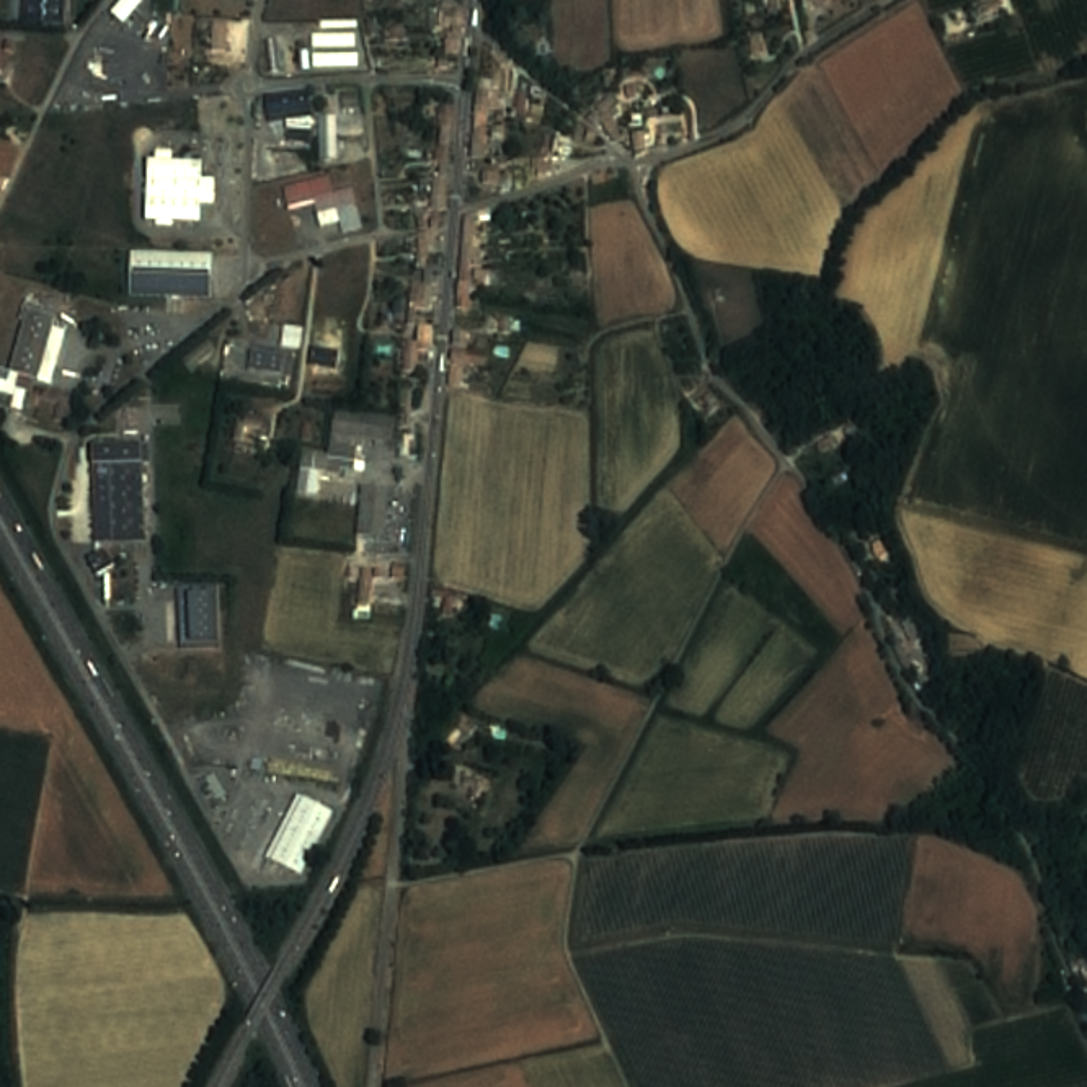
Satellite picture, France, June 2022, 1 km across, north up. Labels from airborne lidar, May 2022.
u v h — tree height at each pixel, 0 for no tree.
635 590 0
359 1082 0
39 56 0
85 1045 0
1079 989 13
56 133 0
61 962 0
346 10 0
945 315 0
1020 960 0
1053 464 0
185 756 0
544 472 0
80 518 0
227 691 0
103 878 0
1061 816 11
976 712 8
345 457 0
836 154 0
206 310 0
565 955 0
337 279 0
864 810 0
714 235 0
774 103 0
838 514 12
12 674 0
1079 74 19
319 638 0
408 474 0
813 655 0
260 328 0
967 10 9
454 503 0
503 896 0
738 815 0
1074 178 0
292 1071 0
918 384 16
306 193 0
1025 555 0
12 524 0
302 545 12
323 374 0
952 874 0
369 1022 0
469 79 13
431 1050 0
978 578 0
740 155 0
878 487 17
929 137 16
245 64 0
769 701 0
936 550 0
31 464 0
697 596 0
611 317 0
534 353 0
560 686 0
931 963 0
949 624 8
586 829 0
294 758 0
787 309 10
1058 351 0
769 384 8
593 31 0
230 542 0
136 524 0
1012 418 0
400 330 8
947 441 0
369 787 0
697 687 0
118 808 0
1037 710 10
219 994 0
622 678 0
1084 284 0
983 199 0
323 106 8
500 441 0
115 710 0
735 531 0
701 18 0
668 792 0
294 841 0
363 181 0
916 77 0
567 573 0
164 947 0
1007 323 0
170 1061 0
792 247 0
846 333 15
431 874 7
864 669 0
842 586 0
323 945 17
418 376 14
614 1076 0
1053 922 13
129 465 0
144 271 0
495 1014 0
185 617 0
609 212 0
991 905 0
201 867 0
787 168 0
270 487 0
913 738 0
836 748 0
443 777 28
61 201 0
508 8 11
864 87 0
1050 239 0
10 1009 0
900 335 0
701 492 0
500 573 0
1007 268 0
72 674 0
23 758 0
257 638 0
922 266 0
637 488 0
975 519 0
